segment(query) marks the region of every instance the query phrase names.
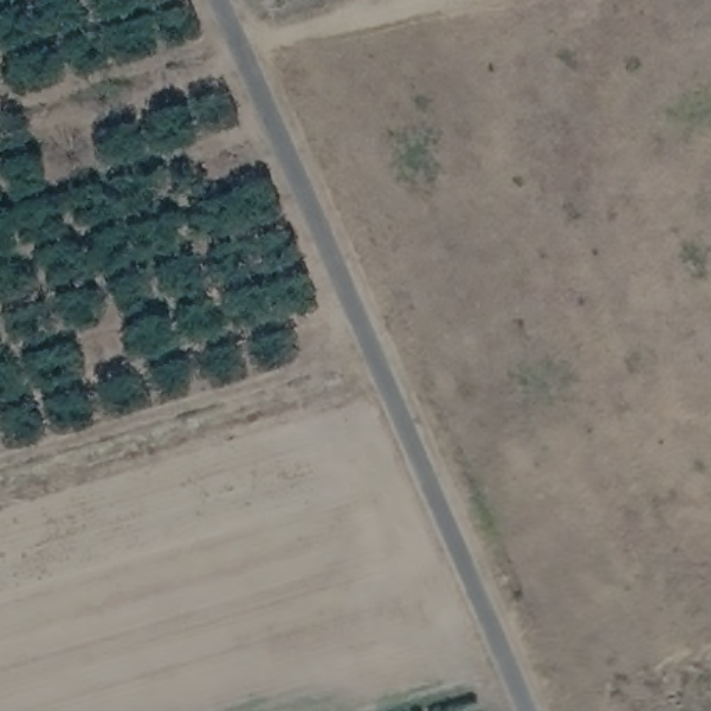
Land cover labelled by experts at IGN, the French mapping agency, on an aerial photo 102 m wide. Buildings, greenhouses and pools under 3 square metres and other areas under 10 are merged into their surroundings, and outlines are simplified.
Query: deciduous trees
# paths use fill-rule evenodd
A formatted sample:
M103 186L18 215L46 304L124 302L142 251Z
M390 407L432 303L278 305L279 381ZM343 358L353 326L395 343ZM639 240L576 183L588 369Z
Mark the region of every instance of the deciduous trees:
M297 278L278 281L272 286L244 289L239 294L222 292L219 306L214 306L208 297L200 306L189 306L183 314L175 306L167 306L167 317L150 317L133 328L122 325L122 353L117 358L131 361L142 356L144 361L150 361L169 350L181 350L183 336L208 344L228 333L253 333L253 328L258 325L292 322L294 314L308 314L317 306L317 294L308 269Z
M0 425L14 447L22 447L33 444L42 436L42 422L36 414L28 414L22 408L0 414Z
M186 361L175 361L158 369L156 375L147 369L139 375L133 369L128 378L108 378L106 386L94 394L78 394L78 383L83 380L81 347L72 350L61 344L36 353L33 358L25 353L14 353L14 364L0 364L0 403L42 389L47 414L58 430L83 430L86 425L92 425L94 414L106 411L119 417L144 408L150 392L161 389L167 400L172 400L189 392L192 378L208 378L214 386L225 386L247 375L239 358L239 344L214 353L186 350Z
M14 117L0 114L0 150L31 142L33 133L25 111Z
M11 161L0 158L0 311L6 328L22 339L22 344L36 344L47 339L39 331L39 325L50 322L58 314L64 317L64 322L78 322L81 328L97 325L103 317L103 303L111 294L125 319L128 314L144 306L144 300L153 300L153 278L158 278L161 289L169 289L175 297L197 297L203 292L208 294L208 289L222 292L228 281L242 281L258 272L278 272L303 258L303 253L297 250L294 228L281 211L281 197L272 178L253 181L206 203L203 211L194 217L167 214L144 225L128 225L128 214L156 211L161 200L178 200L181 192L186 192L186 197L192 200L194 194L206 192L203 183L197 183L194 178L172 172L172 158L161 158L153 175L142 175L139 161L147 161L147 156L142 153L142 144L183 147L194 144L197 133L233 128L239 122L239 111L231 92L208 94L203 100L183 106L169 106L153 117L153 125L142 133L136 133L131 125L119 125L103 144L94 147L111 169L97 172L92 186L81 186L58 197L44 194L44 186L50 181L44 181L42 153ZM64 225L64 211L72 211L78 219L86 222L86 228L114 217L114 231L100 233L94 239L94 247L75 247L67 242L67 233L72 228ZM58 286L58 283L75 283L75 286L81 286L83 281L94 281L94 278L97 278L100 272L106 275L106 283L100 283L100 286L97 286L94 292L89 292L89 294L56 294L56 286Z
M183 44L186 39L194 39L200 33L200 19L197 14L181 14L178 8L167 11L161 3L167 0L39 0L36 11L28 11L22 17L0 14L0 67L3 81L8 86L28 94L58 83L64 67L72 67L78 75L89 75L106 67L108 58L119 58L122 64L128 64L156 53L156 47L164 42Z
M297 333L294 328L289 328L286 333L250 342L250 353L261 369L283 367L294 358Z

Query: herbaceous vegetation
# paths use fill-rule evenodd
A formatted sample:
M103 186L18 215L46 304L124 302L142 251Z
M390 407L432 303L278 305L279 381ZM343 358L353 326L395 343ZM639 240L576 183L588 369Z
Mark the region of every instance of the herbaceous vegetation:
M308 36L294 44L264 50L256 58L269 89L269 97L311 181L317 203L331 225L333 242L344 258L356 294L386 356L389 372L417 428L422 450L433 467L439 489L461 530L461 539L469 550L469 558L492 603L492 611L508 639L508 647L517 658L517 667L522 672L522 680L536 711L711 711L711 0L511 0L511 8L505 8L503 14L461 14L447 19L442 11L428 11L397 22L344 31L333 36Z
M64 225L72 228L67 233L67 242L75 247L94 247L94 239L100 233L114 231L114 217L86 228L86 222L78 219L72 211L64 211Z
M0 0L0 14L22 17L28 11L36 11L39 0Z
M430 711L480 711L475 703L475 692L461 692L433 697Z
M33 358L36 353L61 344L72 350L81 347L83 380L78 383L78 394L94 394L106 386L108 378L128 378L133 369L139 375L147 369L156 375L158 369L175 361L186 361L186 350L214 353L239 344L239 358L247 375L225 386L214 386L208 378L192 378L189 392L172 400L167 400L161 389L150 392L144 408L119 417L106 411L94 414L92 425L86 425L83 430L58 430L47 414L42 389L0 403L0 414L22 408L28 414L36 414L42 422L42 436L33 444L22 447L14 447L0 425L0 511L14 505L17 500L39 500L69 486L106 480L131 472L142 464L156 464L158 453L169 453L189 442L206 439L211 447L219 447L225 442L233 442L233 430L239 425L250 425L267 417L281 417L306 408L311 414L328 414L342 411L358 400L378 405L380 411L386 405L378 380L361 353L358 336L322 264L311 228L294 200L294 189L256 114L253 97L244 86L244 78L231 56L231 47L219 31L219 22L208 0L167 0L161 3L167 11L178 8L181 14L197 14L200 19L200 33L194 39L186 39L183 44L164 42L156 47L156 53L128 64L122 64L119 58L108 58L106 67L89 75L78 75L72 67L64 67L58 83L28 94L8 86L3 81L0 67L0 114L14 117L25 111L33 133L31 142L0 150L0 158L11 161L42 153L44 181L50 181L44 186L44 194L58 197L81 186L92 186L97 172L111 169L94 147L103 144L119 125L131 125L136 133L142 133L153 125L153 117L169 106L183 106L203 100L208 94L231 92L239 111L239 122L233 128L197 133L194 144L183 147L142 144L142 153L147 156L147 161L139 161L142 175L153 175L161 158L172 158L172 172L194 178L197 183L203 183L206 192L194 194L192 200L186 197L186 192L181 192L178 200L161 200L156 211L128 214L128 225L144 225L167 214L194 217L203 211L206 203L253 181L272 178L281 197L281 211L294 228L297 250L303 253L303 258L278 272L258 272L242 281L228 281L222 292L239 294L244 289L272 286L278 281L297 278L308 269L317 294L317 306L308 314L294 314L292 322L258 325L253 328L253 333L228 333L208 344L183 336L181 350L169 350L150 361L144 361L142 356L131 361L117 358L122 353L122 325L133 328L150 317L167 317L167 306L175 306L183 314L189 306L200 306L208 297L214 306L219 306L222 292L208 289L208 294L203 292L197 297L175 297L169 289L161 289L158 278L153 278L153 300L144 300L144 306L128 314L125 319L111 294L103 303L103 317L97 325L81 328L78 322L64 322L64 317L58 314L50 322L39 325L39 331L47 339L36 344L22 344L22 339L6 328L0 311L0 364L14 364L14 353L25 353ZM261 369L250 353L250 342L286 333L289 328L294 328L297 333L294 358L283 367Z
M347 0L228 0L242 25L253 14L267 25L300 22L333 11Z
M81 286L75 286L75 283L58 283L58 286L56 286L56 294L89 294L89 292L94 292L97 286L100 286L100 283L106 283L106 275L100 272L97 278L94 278L94 281L83 281Z

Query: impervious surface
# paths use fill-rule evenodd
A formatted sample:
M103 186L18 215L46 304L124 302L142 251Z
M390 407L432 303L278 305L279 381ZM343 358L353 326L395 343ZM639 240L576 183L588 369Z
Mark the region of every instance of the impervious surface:
M461 530L439 489L433 467L422 450L417 428L389 372L386 356L356 294L344 258L333 242L331 225L317 203L311 181L269 97L269 89L256 58L242 25L228 0L208 0L219 22L219 31L231 47L231 56L244 78L244 86L253 97L256 114L294 189L294 200L311 228L322 264L358 336L361 353L378 380L386 405L417 469L419 486L447 542L447 550L455 561L455 569L464 580L467 597L486 630L489 647L500 664L517 711L536 711L522 680L522 672L517 667L517 658L508 647L508 639L492 611L492 603L469 558L469 550L461 539Z

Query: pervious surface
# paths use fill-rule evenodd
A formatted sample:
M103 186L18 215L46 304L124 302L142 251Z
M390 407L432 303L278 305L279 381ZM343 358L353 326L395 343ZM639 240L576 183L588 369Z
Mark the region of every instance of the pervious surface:
M300 22L267 25L253 14L242 25L256 58L264 50L294 44L308 36L333 36L344 31L397 22L428 11L442 11L447 19L461 14L503 14L505 8L511 8L511 0L347 0L333 11Z

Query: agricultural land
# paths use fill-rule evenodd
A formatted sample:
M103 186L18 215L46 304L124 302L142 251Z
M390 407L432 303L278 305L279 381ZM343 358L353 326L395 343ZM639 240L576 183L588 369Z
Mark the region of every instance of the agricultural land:
M386 405L380 411L378 405L358 400L342 411L328 414L311 414L306 408L281 417L267 417L250 425L239 425L233 430L233 442L225 442L219 447L211 447L206 439L189 442L169 453L158 453L156 464L142 464L131 472L106 480L69 486L39 500L17 500L14 505L0 511L0 711L430 711L433 697L461 692L475 692L475 703L480 711L517 711L500 664L489 647L486 630L467 597L464 580L455 569L455 561L447 550L447 542L419 486L417 469Z

